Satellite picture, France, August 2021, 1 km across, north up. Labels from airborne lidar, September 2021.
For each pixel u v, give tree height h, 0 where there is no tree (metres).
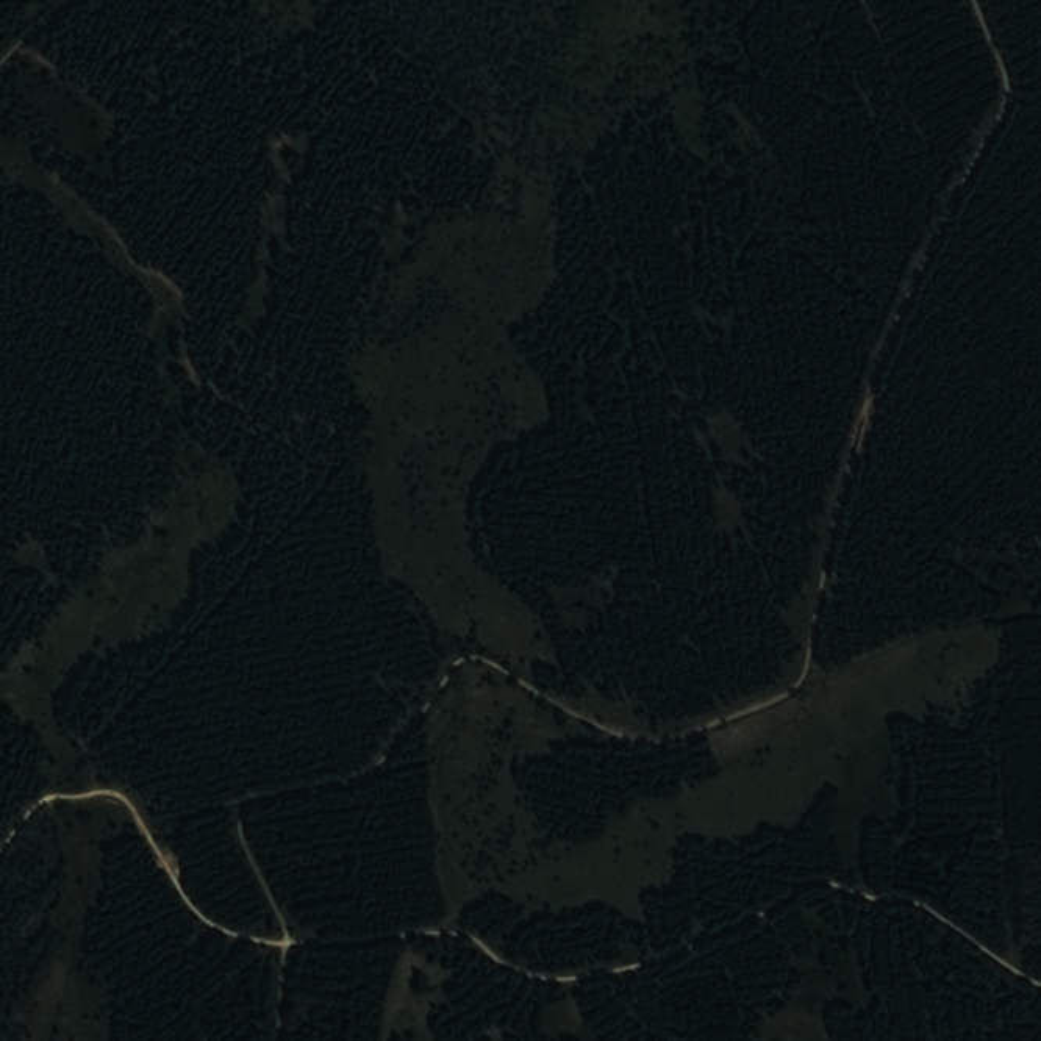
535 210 0
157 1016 18
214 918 15
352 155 19
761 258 17
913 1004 21
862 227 19
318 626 17
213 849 21
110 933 17
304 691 19
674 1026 17
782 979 19
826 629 18
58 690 0
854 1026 18
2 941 23
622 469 22
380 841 21
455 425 0
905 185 19
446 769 0
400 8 9
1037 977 7
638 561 19
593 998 18
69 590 22
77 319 21
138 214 20
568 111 7
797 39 20
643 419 21
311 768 18
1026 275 18
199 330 19
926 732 16
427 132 19
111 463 16
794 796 0
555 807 20
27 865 11
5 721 23
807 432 19
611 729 0
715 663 17
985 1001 14
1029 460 16
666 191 22
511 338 17
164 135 21
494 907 14
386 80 18
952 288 19
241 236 22
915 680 0
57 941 13
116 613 0
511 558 17
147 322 22
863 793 0
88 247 20
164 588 0
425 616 19
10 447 23
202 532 0
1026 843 6
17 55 7
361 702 19
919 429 16
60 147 10
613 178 22
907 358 18
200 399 22
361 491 19
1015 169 17
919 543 20
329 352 23
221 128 26
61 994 0
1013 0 15
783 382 18
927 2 15
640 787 23
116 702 20
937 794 18
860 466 22
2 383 21
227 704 21
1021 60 16
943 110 14
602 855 0
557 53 9
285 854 17
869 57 13
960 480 17
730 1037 10
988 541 21
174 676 19
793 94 20
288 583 21
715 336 20
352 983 19
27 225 22
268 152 23
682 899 21
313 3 9
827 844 19
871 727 0
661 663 19
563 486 21
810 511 19
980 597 18
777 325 17
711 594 9
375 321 8
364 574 19
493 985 16
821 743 0
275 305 18
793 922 19
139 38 21
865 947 21
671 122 17
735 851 17
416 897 18
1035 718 9
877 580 21
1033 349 16
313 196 22
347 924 20
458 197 20
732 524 0
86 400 24
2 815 19
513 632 0
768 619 18
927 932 22
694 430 17
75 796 0
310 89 16
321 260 19
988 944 18
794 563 18
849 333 15
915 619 19
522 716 0
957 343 15
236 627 19
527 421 0
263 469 23
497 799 0
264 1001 20
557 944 19
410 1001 0
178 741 18
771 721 0
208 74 20
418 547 0
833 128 16
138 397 16
